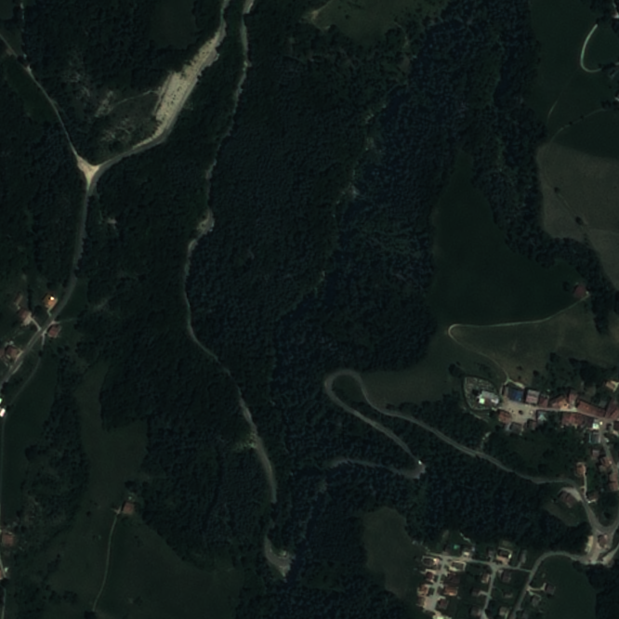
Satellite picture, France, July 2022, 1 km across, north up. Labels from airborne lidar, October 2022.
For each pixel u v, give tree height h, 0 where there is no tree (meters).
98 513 0
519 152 32
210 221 0
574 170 0
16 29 25
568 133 0
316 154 29
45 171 29
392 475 28
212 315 20
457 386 0
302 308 12
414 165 28
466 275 0
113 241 18
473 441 15
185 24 0
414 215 29
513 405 0
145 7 19
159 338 16
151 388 33
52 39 25
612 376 0
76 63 7
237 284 29
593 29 0
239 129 27
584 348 0
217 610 0
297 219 32
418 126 33
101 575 0
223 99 24
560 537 9
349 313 25
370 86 13
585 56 0
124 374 7
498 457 13
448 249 0
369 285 16
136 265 34
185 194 25
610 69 15
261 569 17
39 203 30
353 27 0
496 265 0
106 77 14
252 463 24
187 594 0
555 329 0
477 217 0
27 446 0
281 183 30
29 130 29
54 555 0
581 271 16
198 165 17
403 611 20
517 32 19
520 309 0
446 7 0
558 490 0
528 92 21
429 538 8
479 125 37
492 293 0
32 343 0
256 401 33
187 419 27
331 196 18
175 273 28
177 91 0
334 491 17
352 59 20
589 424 0
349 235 8
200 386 27
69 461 16
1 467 0
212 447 28
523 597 0
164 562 0
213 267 24
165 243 34
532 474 15
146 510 9
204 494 20
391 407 12
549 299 0
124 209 28
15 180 21
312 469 9
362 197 10
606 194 0
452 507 21
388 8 0
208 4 22
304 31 21
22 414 0
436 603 0
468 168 0
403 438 17
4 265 14
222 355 32
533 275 0
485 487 25
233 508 28
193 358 33
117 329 8
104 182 17
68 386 11
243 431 29
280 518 27
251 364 31
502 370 0
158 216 26
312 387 23
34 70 9
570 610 0
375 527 0
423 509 5
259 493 30
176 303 34
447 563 0
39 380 0
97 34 22
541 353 0
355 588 15
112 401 23
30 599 6
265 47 26
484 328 0
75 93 11
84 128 18
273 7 12
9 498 0
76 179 25
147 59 14
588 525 11
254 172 24
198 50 7
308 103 25
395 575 0
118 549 0
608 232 0
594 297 10
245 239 33
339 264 12
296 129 26
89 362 8
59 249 15
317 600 24
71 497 10
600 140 0
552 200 0
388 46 9
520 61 33
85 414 0
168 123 0
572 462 11
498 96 27
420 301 8
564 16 0
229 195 27
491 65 36
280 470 14
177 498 7
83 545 0
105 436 0
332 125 26
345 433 12
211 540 23
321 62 27
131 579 0
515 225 30
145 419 16
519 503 31
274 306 28
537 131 27
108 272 18
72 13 16
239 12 21
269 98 26
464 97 28
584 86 0
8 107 27
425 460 30
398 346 12
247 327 32
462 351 0
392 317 10
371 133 11
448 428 9
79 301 0
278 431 25
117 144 16
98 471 0
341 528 21
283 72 30
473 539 12
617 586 22
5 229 22
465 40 31
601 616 12
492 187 24
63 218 14
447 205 0
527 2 15
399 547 0
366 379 0
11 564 0
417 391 0
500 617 10
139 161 24
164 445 19
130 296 16
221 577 0
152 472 6
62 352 22
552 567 0
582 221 13
